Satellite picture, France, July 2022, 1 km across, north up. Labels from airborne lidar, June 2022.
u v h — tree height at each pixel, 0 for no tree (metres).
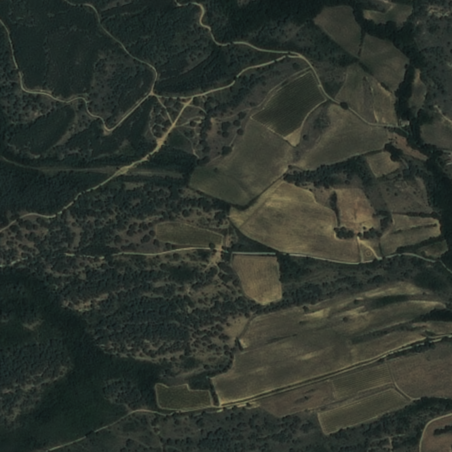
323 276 0
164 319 8
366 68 7
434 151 8
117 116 7
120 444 0
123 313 9
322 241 0
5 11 5
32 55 7
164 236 0
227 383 0
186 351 8
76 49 8
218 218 10
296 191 0
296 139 0
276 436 9
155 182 8
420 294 0
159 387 0
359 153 0
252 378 0
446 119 0
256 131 0
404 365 0
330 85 0
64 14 8
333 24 0
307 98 0
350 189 0
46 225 10
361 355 0
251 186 0
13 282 11
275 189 0
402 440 7
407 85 13
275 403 0
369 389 0
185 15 10
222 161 0
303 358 0
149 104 8
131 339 9
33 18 8
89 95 6
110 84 7
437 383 0
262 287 0
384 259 9
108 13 10
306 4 14
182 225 0
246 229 0
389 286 0
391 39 9
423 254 6
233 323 0
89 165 10
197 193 8
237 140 0
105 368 11
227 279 11
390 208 0
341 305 0
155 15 13
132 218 9
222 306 8
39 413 6
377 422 7
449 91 0
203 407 0
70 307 10
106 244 9
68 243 12
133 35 12
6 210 9
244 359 0
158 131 9
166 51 8
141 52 12
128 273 9
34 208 10
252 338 0
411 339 0
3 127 14
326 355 0
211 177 0
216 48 8
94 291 10
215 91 0
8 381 11
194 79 12
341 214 0
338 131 0
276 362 0
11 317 13
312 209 0
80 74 6
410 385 0
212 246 11
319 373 0
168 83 9
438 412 6
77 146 8
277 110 0
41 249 11
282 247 0
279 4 15
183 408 0
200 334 9
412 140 14
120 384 14
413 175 10
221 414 0
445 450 0
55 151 15
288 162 0
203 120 7
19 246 9
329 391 0
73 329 14
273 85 0
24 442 7
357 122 0
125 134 8
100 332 11
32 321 12
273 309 7
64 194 14
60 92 8
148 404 11
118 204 11
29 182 13
